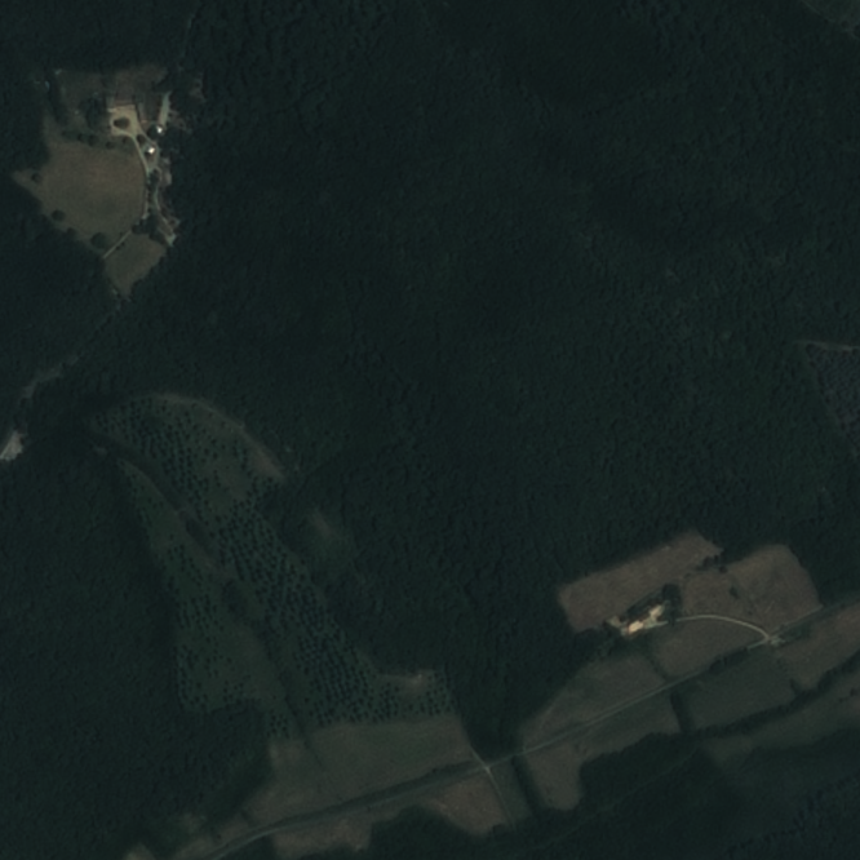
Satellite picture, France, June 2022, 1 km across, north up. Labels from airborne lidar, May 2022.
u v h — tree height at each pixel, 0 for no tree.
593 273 16
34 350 14
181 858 0
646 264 17
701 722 0
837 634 0
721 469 22
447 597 23
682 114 23
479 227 20
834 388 20
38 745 17
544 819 10
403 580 21
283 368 21
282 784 0
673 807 6
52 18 19
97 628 20
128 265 0
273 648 8
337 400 22
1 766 19
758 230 16
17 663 20
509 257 21
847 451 17
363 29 30
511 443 22
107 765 25
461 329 19
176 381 15
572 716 0
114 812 25
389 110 23
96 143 12
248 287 15
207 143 21
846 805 19
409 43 21
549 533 19
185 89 21
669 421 10
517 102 12
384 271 20
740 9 11
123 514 16
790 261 16
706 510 18
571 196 19
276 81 16
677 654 0
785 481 10
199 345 23
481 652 9
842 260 20
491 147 15
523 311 21
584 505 17
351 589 15
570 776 0
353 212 18
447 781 0
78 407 14
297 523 12
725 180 8
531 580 24
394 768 0
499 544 24
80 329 15
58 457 15
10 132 18
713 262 13
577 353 17
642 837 7
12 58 23
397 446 8
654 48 6
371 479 28
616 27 6
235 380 14
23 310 14
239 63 19
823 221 15
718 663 9
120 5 19
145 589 15
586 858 6
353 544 6
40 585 23
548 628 19
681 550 0
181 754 18
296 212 19
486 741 8
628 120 19
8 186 18
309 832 0
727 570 9
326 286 20
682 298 17
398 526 18
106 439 10
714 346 12
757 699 0
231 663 14
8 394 17
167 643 17
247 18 8
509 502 26
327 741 0
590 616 0
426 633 11
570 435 17
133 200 0
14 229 16
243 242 18
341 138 18
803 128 19
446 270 13
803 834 20
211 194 22
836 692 0
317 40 29
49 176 0
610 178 13
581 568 14
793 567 0
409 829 6
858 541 12
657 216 16
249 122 22
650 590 0
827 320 21
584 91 8
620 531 12
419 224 16
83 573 22
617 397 18
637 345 9
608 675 0
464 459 27
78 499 21
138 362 19
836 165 19
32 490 18
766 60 6
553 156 16
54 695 21
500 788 0
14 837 14
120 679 19
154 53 16
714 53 23
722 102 21
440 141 25
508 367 17
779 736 0
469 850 7
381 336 19
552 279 22
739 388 12
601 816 7
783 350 24
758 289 19
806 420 18
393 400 16
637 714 0
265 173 20
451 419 21
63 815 20
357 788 0
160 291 17
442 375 18
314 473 9
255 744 14
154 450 21
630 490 10
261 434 7
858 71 7
